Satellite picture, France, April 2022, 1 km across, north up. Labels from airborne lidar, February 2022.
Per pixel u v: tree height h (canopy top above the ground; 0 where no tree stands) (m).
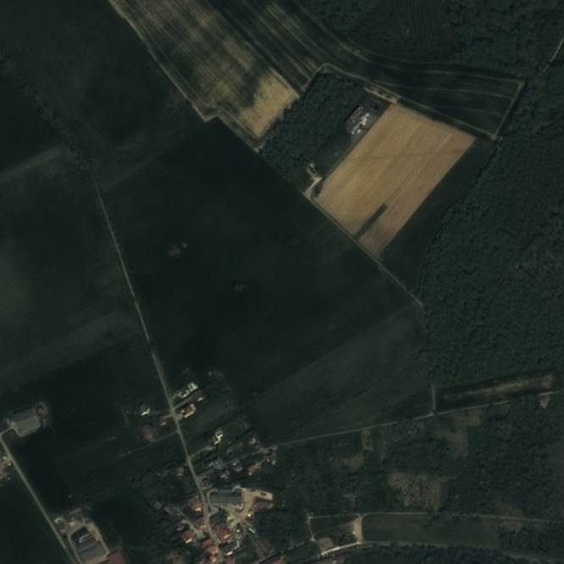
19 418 0
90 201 0
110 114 0
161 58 0
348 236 0
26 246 0
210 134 0
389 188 0
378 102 0
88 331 0
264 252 0
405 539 0
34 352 0
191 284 0
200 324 0
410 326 0
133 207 0
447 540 0
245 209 0
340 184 0
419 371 0
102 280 0
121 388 0
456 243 23
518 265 26
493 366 23
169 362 0
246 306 0
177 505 17
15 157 0
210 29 0
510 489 18
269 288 0
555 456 0
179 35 0
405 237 0
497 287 27
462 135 0
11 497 0
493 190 12
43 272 0
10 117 0
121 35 0
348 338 0
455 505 20
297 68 0
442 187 0
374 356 0
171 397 0
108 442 0
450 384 19
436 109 0
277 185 0
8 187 0
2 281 0
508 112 0
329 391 0
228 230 0
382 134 0
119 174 0
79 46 0
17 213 0
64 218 0
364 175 0
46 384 0
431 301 20
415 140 0
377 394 0
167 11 0
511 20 26
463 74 0
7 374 0
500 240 23
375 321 0
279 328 0
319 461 0
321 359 0
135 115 0
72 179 0
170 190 0
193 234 0
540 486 17
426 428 0
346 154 0
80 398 0
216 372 0
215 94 0
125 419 0
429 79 0
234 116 0
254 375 0
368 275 0
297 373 0
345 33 11
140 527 0
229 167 0
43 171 0
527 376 0
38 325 0
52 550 0
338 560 0
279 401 0
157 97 0
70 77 0
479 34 27
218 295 0
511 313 27
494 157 9
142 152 0
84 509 0
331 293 0
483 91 0
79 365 0
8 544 0
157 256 0
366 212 0
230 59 0
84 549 0
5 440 0
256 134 0
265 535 16
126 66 0
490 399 0
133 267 0
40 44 0
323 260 0
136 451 0
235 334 0
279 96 0
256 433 6
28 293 0
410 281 0
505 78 0
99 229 0
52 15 0
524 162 11
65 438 0
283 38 0
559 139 11
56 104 0
